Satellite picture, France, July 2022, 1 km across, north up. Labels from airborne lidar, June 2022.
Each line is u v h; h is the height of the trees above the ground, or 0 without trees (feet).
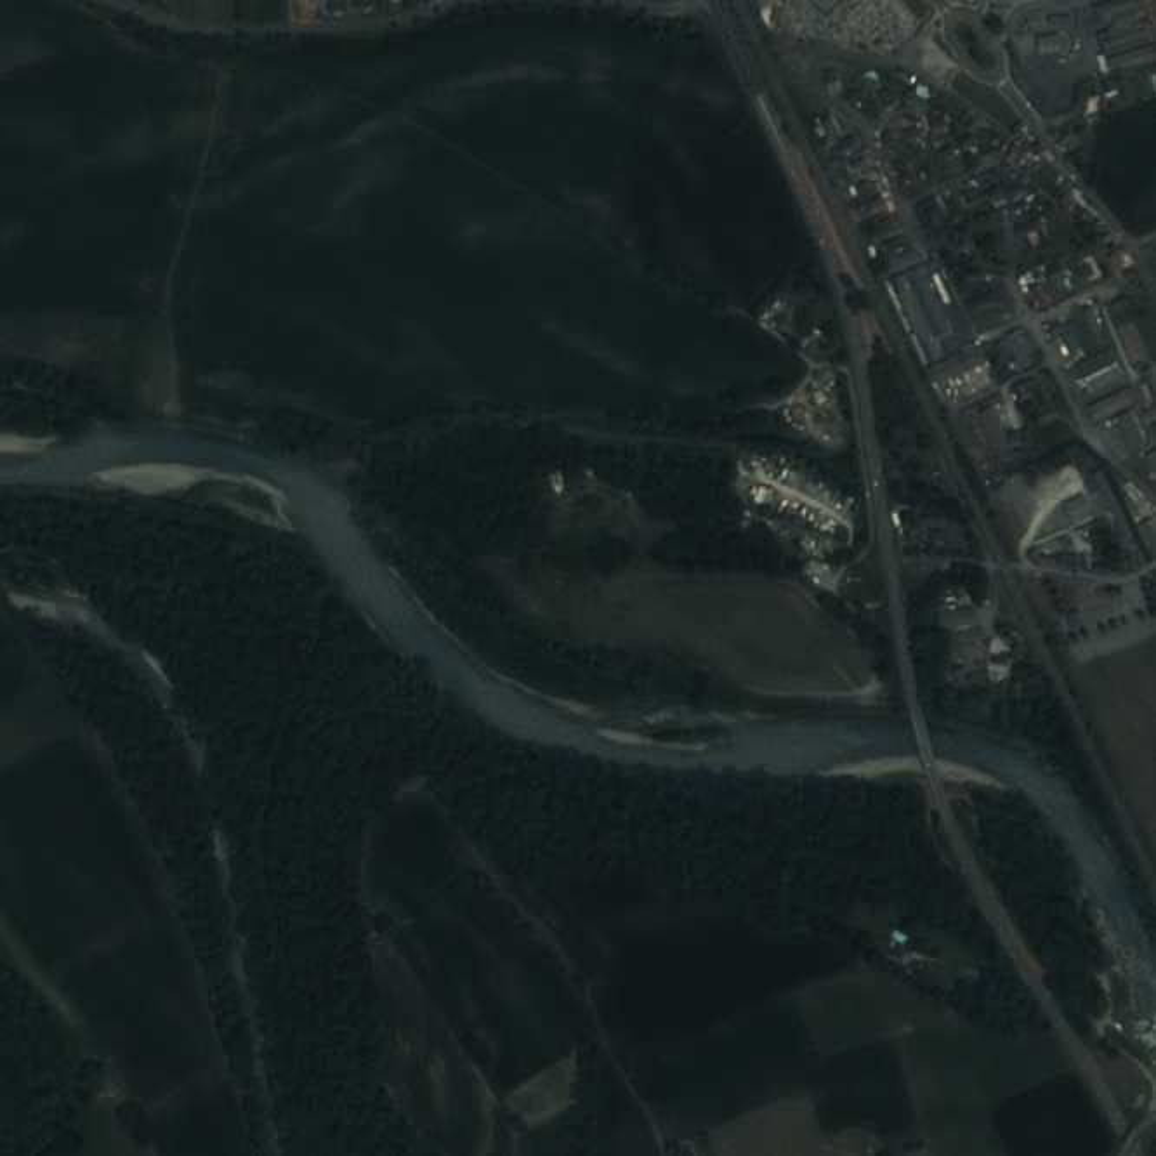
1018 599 0
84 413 93
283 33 34
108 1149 0
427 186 0
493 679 0
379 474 54
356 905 92
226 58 53
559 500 0
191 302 0
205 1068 0
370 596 0
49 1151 55
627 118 0
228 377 0
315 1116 47
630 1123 0
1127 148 0
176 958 0
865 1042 0
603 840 92
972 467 34
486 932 0
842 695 0
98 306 0
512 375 0
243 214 0
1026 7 0
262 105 0
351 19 0
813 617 0
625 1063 0
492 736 102
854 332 0
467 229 0
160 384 0
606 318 0
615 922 0
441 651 0
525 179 0
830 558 39
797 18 0
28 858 0
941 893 81
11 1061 86
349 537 0
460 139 0
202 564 81
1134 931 0
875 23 0
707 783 88
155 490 0
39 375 101
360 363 0
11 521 100
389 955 0
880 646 93
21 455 0
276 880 58
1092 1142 0
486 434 74
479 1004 0
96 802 0
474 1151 0
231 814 66
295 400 0
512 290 0
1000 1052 0
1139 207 0
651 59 0
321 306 0
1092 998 63
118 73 0
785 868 96
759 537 66
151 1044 0
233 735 76
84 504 45
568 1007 0
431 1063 0
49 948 0
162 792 113
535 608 0
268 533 21
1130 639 0
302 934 83
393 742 77
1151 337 0
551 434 62
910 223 0
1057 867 79
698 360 0
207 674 78
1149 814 0
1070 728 31
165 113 0
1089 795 59
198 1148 0
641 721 0
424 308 0
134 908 0
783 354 0
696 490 68
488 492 59
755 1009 0
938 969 0
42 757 0
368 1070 36
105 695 116
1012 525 0
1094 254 0
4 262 0
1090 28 0
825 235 0
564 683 34
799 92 0
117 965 0
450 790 77
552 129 0
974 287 0
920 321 0
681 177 0
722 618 0
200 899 74
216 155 22
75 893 0
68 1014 0
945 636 42
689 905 0
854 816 89
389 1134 44
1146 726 0
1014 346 0
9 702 0
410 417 26
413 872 0
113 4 0
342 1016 81
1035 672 29
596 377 0
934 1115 0
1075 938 74
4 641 0
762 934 0
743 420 62
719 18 0
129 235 0
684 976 0
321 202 0
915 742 0
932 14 0
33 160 0
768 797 66
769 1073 0
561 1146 0
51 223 0
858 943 63
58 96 0
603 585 0
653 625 0
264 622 92
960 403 0
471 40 0
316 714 55
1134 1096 0
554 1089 0
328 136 0
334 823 103
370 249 0
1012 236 0
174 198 0
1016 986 94
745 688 0
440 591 36
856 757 0
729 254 0
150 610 62
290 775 75
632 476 76
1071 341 0
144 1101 0
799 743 0
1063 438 0
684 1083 0
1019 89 0
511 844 111
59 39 0
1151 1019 0
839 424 0
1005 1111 0
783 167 0
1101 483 0
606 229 0
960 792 0
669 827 59
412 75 0
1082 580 0
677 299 0
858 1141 0
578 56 0
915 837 40
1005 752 0
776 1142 0
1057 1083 0
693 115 0
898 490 54
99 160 0
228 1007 75
